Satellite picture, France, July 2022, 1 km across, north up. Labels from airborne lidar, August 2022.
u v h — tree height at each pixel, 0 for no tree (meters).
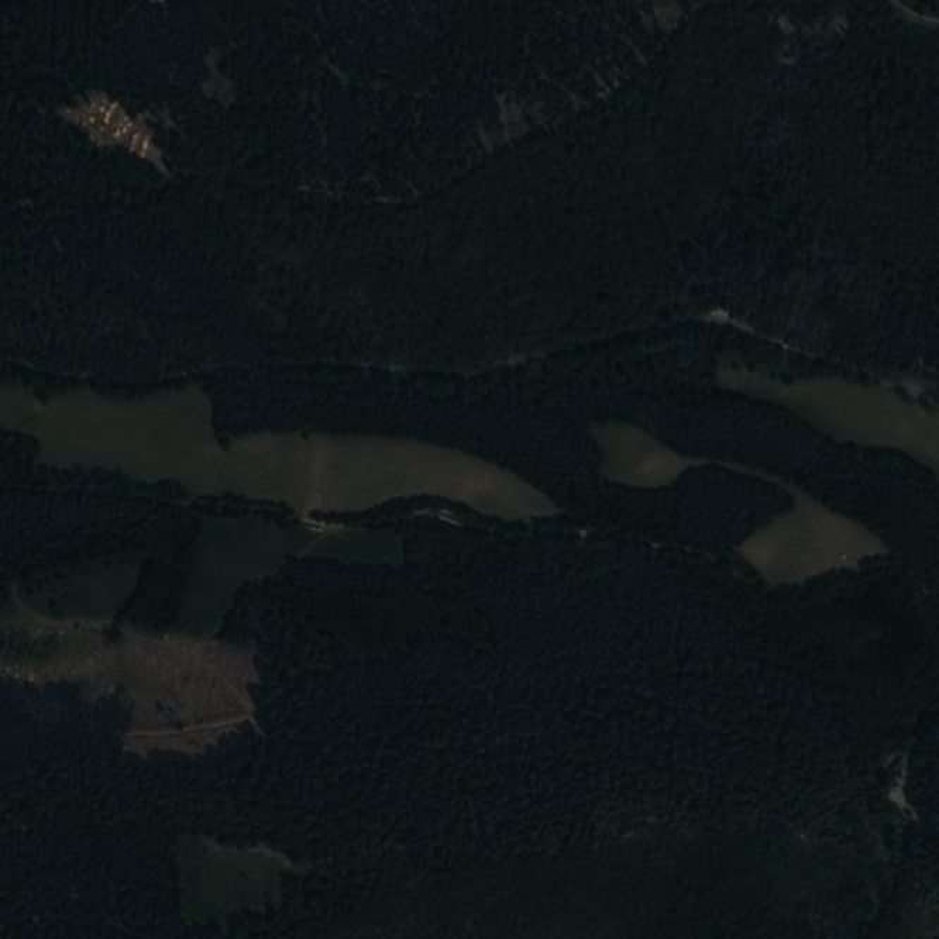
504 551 12
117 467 0
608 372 20
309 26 13
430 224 19
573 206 22
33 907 23
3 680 0
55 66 20
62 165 21
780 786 22
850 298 31
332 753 28
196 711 0
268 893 0
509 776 31
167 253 31
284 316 16
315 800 26
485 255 21
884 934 15
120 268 31
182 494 26
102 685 0
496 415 27
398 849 22
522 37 20
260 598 14
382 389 29
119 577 0
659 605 27
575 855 15
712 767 36
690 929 20
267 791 31
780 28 20
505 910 13
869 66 14
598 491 18
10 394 0
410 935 10
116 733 27
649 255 29
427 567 22
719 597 16
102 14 16
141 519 21
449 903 14
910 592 18
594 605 24
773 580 0
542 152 18
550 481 10
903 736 14
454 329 19
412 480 0
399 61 15
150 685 0
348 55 18
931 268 17
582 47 28
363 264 18
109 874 21
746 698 28
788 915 11
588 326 21
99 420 0
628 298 25
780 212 13
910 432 0
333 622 10
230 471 0
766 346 15
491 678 20
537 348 17
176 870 25
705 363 20
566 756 28
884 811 31
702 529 27
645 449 0
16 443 14
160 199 24
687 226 27
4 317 25
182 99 19
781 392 0
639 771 25
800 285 25
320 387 31
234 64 15
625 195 23
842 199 18
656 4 0
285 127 20
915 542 18
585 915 9
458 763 29
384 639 11
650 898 15
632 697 28
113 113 0
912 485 23
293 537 0
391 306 18
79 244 28
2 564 19
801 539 0
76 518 20
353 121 21
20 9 18
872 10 21
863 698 17
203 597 0
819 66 25
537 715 15
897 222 21
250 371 26
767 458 24
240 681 0
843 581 21
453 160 22
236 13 14
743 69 21
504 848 13
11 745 24
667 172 21
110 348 27
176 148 24
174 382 13
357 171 16
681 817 17
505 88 20
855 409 0
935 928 13
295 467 0
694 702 31
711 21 15
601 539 17
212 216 20
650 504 14
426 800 26
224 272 28
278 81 16
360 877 10
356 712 26
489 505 0
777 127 29
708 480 27
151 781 28
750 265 29
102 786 24
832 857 10
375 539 0
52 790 25
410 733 33
